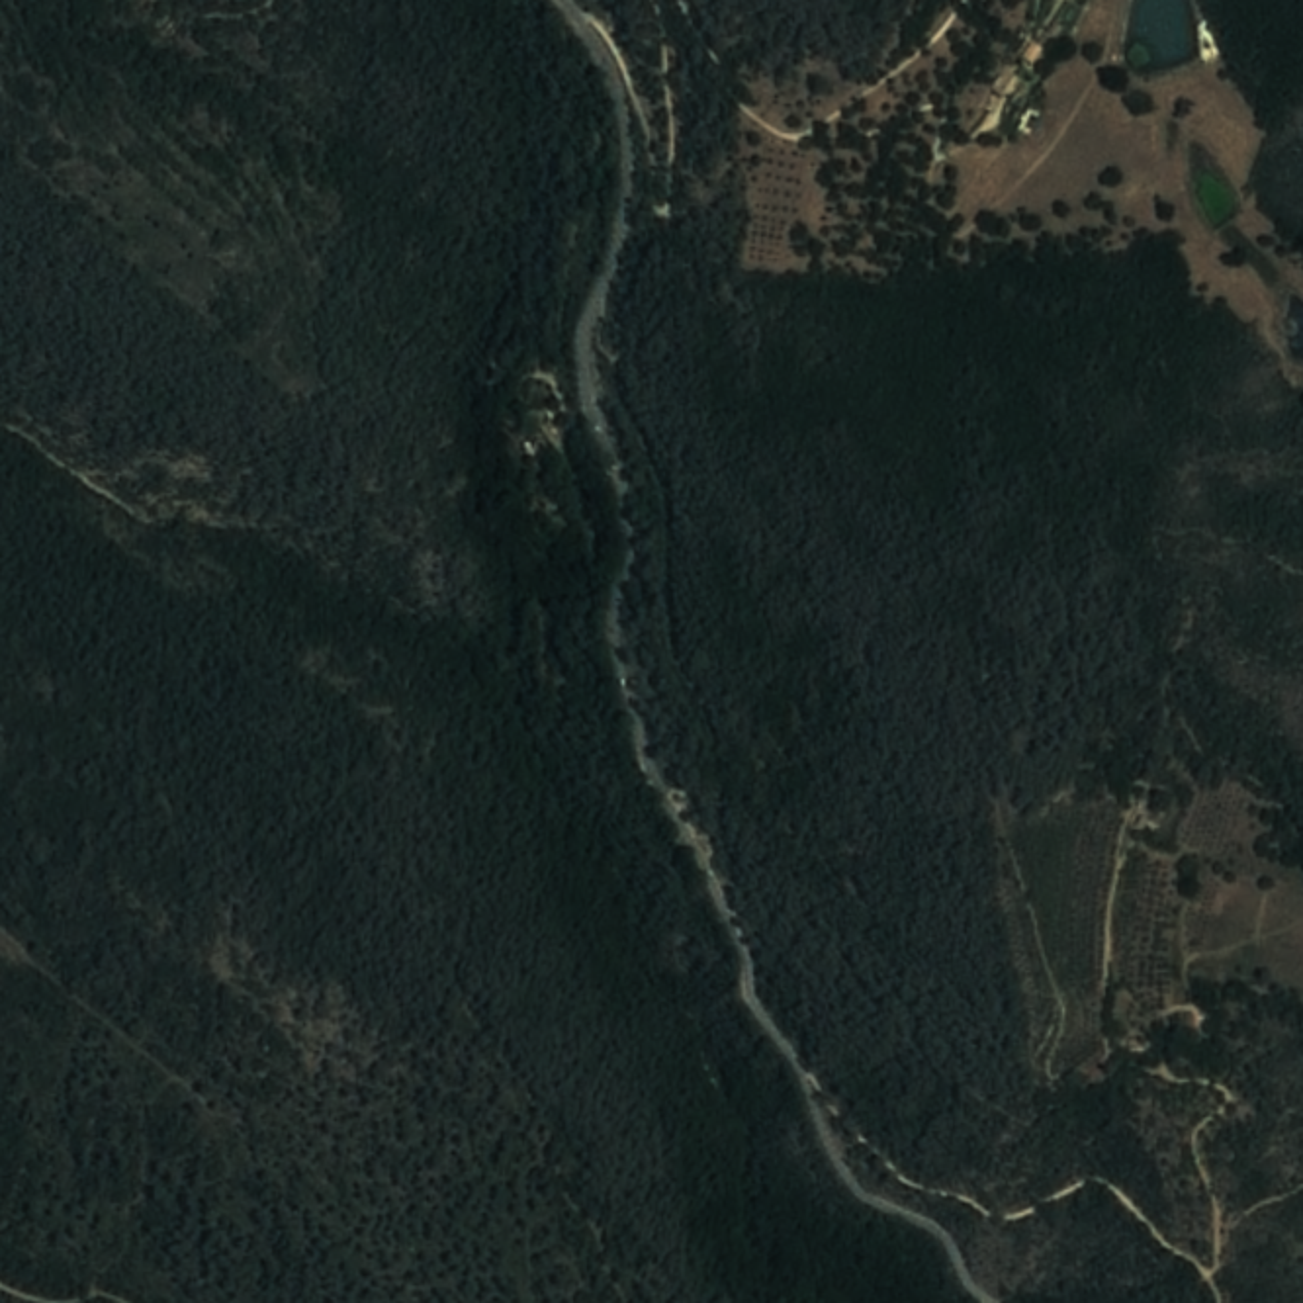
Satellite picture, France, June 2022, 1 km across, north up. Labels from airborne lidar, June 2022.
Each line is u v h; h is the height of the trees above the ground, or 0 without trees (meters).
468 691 25
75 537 18
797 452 12
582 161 13
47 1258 6
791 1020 17
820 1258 21
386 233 9
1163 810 21
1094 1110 11
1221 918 0
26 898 9
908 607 17
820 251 12
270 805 12
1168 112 0
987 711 18
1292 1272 5
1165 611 9
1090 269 12
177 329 17
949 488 10
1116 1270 7
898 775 20
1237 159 0
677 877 19
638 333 17
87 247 15
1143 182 0
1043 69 13
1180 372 10
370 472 6
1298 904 0
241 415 17
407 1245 17
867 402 10
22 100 7
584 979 18
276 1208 19
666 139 8
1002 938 18
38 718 7
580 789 21
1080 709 20
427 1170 19
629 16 23
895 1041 20
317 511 18
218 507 6
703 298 9
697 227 17
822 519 18
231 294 6
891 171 12
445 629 13
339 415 15
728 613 17
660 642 14
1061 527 13
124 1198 11
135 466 8
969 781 16
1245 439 6
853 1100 11
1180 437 8
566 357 10
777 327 12
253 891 15
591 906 13
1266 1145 12
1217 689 8
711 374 13
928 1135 16
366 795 19
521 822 21
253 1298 25
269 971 11
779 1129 8
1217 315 8
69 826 10
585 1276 7
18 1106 10
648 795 13
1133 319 12
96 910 8
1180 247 18
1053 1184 7
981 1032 23
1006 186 0
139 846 8
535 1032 17
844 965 8
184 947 8
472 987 23
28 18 13
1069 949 7
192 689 21
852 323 11
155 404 16
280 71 8
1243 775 9
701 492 16
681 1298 15
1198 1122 6
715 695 18
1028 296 16
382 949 19
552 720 12
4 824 9
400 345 14
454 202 20
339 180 12
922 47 8
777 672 18
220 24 11
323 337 13
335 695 12
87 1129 11
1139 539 9
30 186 15
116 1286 9
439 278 12
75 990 18
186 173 8
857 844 20
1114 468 9
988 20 11
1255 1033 7
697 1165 15
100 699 8
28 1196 9
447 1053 20
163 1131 12
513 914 20
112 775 10
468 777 12
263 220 7
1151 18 0
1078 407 16
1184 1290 8
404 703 8
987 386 17
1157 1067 7
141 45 10
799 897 20
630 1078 21
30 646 7
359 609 14
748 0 17
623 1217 19
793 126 9
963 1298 6
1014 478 18
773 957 15
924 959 19
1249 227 0
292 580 10
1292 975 0
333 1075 15
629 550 10
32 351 19
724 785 9
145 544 7
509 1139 8
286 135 6
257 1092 12
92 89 6
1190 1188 9
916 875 21
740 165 15
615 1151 22
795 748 13
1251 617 6
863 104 11
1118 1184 9
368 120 9
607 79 10
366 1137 6
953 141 11
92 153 9
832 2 20
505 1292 23
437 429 16
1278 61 8
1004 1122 6
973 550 16
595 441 10
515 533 19
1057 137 0
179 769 16
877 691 19
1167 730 14
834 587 17
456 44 17
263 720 18
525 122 10
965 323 13
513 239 22
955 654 14
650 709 14
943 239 12
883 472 14
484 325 12
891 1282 16
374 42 11
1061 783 21
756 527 21
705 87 13
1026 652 11
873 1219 11
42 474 10
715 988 9
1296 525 8
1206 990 5
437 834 16
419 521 9
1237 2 8
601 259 11
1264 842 8
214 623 18
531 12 17
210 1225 21
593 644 13
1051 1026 6
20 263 16
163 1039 7
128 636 20
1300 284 0
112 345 18
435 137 16
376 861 18
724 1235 20
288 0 8
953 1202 13
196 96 12
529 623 20
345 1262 21
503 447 12
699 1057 9
